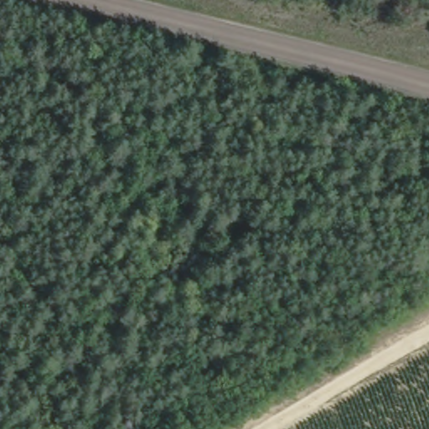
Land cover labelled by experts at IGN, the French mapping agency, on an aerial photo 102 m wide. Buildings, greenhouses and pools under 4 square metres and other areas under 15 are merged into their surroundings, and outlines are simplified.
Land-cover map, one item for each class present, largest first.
<instances>
[{"label":"coniferous trees","instance_id":"1","mask_svg":"<svg viewBox=\"0 0 429 429\"><path fill-rule=\"evenodd\" d=\"M79 0H0V429H179L173 406L189 394V387H186L189 375H186V352L191 325L164 322V315L171 312V308L186 305L189 313H196L201 303L208 305V312L199 318L196 347L203 352L213 350V354L216 355L214 359L208 360L206 367L201 369V374L213 372L221 377L225 367L231 364V360L238 357L256 359L258 355L255 354V344H261L268 339L266 335L258 339L251 337L246 345L238 340L243 325L238 318L233 317L240 307L238 300L243 298V295H248V292L260 293L261 300L278 303L283 310L292 308L295 320L317 317V322L323 325H332L333 322H357L364 315L365 303L370 302L374 303V312L377 315H384L389 310H417V305L429 293V99L406 96L399 90H385L380 85L369 84L367 80L359 79L355 75H335L330 70L315 67H287L277 64L275 60L263 59L260 55L241 54L238 50L225 49L198 35L173 34L168 28L158 27L156 23L144 18L106 15L97 10L77 7ZM409 121L417 132L416 136L392 139V132ZM134 176L142 179L147 188L142 189L139 196L131 201L121 214L106 213V199L119 201L122 196H126L134 183ZM127 273H131L132 278L141 275L154 277V285L147 288L146 295L142 298V315L129 308L131 295L126 293L129 283L124 278ZM90 302L96 303L97 310L106 305L111 310V322L106 323L107 333L111 337V355L106 359L101 354H96L94 347H84V350L75 347L79 332H89L94 328L89 322L75 325L77 312H82ZM335 22H339L340 17L347 13L355 17H379V22L401 25L402 28L411 27L419 18L426 17L429 22V0H325Z\"/></svg>","mask_w":429,"mask_h":429},{"label":"deciduous trees","instance_id":"2","mask_svg":"<svg viewBox=\"0 0 429 429\"><path fill-rule=\"evenodd\" d=\"M417 132L409 121L392 132V139L416 136ZM147 188L142 179L134 176V183L126 196H122L119 201L106 199V213L121 214L131 201L139 196L142 189ZM124 278L129 283L126 293L131 295L129 308L142 315V298L146 295L147 288L154 285V277L141 275L132 278L131 273H127ZM240 307L233 317L238 318L243 325L238 340L246 345L251 337L258 339L266 335L268 339L261 344H255V354L258 355L256 359L238 357L231 360V364L225 367L221 377L213 372L201 374V369L206 367L208 360L214 359L216 355L213 354V350L203 352L196 347L199 318L208 312V305L201 303L196 313H189L186 305L171 308V312L164 315V322L191 325L186 352V375H189L186 387H189V394L173 406L179 429H241L248 419H258L268 412L271 406L282 404L285 399L298 401V394L303 390L310 387L313 390L318 389L335 375L354 367L377 347V342L399 333L406 323H411L414 327L422 322V318L429 317V293L417 305V310H389L384 315H377L374 312V303L370 302L365 303L364 315L357 322H333L332 325H323L317 322V317L295 320L292 308L283 310L278 303L261 300L260 293L248 292V295H243V298L238 300ZM111 310L106 305L97 310L96 303L90 302L82 312H77L75 325L89 322L94 328L89 332H79L75 347L84 350V347H94L96 354H101L106 359L111 355V337L107 333L106 323L111 322Z\"/></svg>","mask_w":429,"mask_h":429},{"label":"impervious surface","instance_id":"3","mask_svg":"<svg viewBox=\"0 0 429 429\"><path fill-rule=\"evenodd\" d=\"M77 7L97 10L106 15L144 18L156 23L158 27L168 28L173 34L198 35L225 49L238 50L241 54L260 55L263 59L275 60L277 64L287 67H315L330 70L335 75H355L359 79L367 80L369 84L380 85L385 90H399L406 96L429 99V70L384 57L362 54L357 50L340 49L315 40L278 34L226 18L189 12L174 7L169 0H79Z\"/></svg>","mask_w":429,"mask_h":429},{"label":"herbaceous vegetation","instance_id":"4","mask_svg":"<svg viewBox=\"0 0 429 429\"><path fill-rule=\"evenodd\" d=\"M174 7L189 12L226 18L278 34L315 40L340 49L357 50L362 54L384 57L429 70V22L426 17L419 18L411 27L402 28L401 25L379 22V17H355L347 13L340 17L339 22H335L325 0H169Z\"/></svg>","mask_w":429,"mask_h":429},{"label":"vineyard","instance_id":"5","mask_svg":"<svg viewBox=\"0 0 429 429\"><path fill-rule=\"evenodd\" d=\"M323 411L312 414L290 429H429V344L422 345L411 355L390 362L384 369L377 370L349 389L342 390L340 394L323 404Z\"/></svg>","mask_w":429,"mask_h":429},{"label":"pervious surface","instance_id":"6","mask_svg":"<svg viewBox=\"0 0 429 429\"><path fill-rule=\"evenodd\" d=\"M429 344V317L422 318V322L414 327L411 323H406L399 333L377 342V347L354 367L335 375L318 389L313 390L310 387L303 390L298 394V401L285 399L282 404L271 406L268 412L258 419H248L241 429H290L312 414L323 411V404L340 394L342 390L349 389L377 370L384 369L390 362L411 355L422 345Z\"/></svg>","mask_w":429,"mask_h":429}]
</instances>
